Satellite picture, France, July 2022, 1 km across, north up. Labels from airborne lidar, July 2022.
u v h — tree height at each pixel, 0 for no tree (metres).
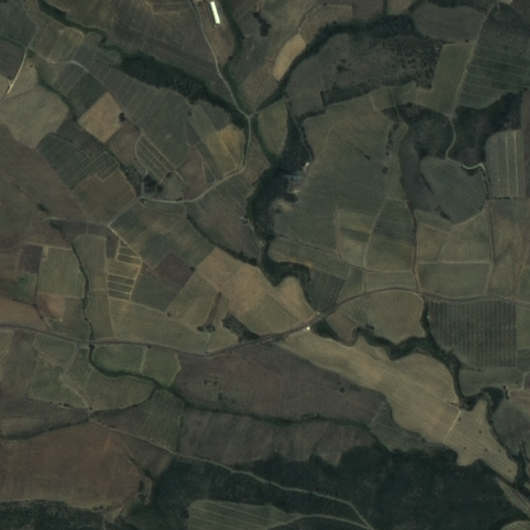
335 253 0
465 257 0
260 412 0
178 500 0
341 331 0
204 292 0
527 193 0
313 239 0
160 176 0
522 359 0
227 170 0
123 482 0
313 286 0
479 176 0
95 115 0
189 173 0
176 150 0
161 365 0
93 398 0
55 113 0
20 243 0
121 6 0
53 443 0
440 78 0
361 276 0
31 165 0
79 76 0
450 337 0
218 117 0
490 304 0
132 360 0
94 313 0
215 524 0
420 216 0
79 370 0
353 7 0
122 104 0
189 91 9
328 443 0
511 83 0
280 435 0
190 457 0
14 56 0
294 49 0
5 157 0
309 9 0
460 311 0
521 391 0
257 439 0
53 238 0
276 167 6
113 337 0
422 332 0
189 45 0
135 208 0
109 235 0
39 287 0
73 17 0
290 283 0
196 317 0
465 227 0
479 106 0
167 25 0
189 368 0
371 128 0
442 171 0
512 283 0
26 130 0
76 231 0
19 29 0
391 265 0
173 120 0
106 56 0
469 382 0
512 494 0
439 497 0
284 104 0
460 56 0
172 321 0
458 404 0
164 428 0
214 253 0
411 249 0
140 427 0
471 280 0
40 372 0
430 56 7
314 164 0
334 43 0
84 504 0
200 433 0
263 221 0
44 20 0
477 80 0
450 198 0
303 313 0
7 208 0
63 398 0
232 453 0
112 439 0
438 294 0
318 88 0
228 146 0
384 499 0
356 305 0
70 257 0
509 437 0
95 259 0
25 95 0
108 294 0
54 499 0
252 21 0
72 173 0
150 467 0
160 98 0
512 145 0
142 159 0
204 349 0
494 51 0
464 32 0
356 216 0
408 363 0
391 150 0
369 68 0
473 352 0
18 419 0
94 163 0
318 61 0
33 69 0
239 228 0
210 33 0
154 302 0
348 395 0
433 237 0
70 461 0
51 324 0
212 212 0
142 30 0
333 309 0
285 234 0
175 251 0
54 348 0
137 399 0
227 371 0
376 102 0
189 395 0
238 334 0
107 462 0
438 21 0
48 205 0
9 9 0
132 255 0
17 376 0
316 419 8
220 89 0
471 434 0
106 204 0
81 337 0
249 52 0
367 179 0
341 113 0
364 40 0
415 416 0
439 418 0
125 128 0
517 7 0
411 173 0
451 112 0
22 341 0
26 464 0
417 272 0
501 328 0
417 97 0
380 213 0
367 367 0
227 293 0
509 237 0
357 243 0
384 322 0
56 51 0
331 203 0
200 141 0
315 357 0
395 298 0
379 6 0
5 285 0
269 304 0
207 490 0
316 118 0
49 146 0
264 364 0
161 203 0
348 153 0
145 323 0
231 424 0
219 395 0
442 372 0
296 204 0
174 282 0
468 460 0
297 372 0
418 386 0
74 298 0
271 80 0
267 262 7
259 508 0
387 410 0
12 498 0
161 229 0
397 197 0
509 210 0
